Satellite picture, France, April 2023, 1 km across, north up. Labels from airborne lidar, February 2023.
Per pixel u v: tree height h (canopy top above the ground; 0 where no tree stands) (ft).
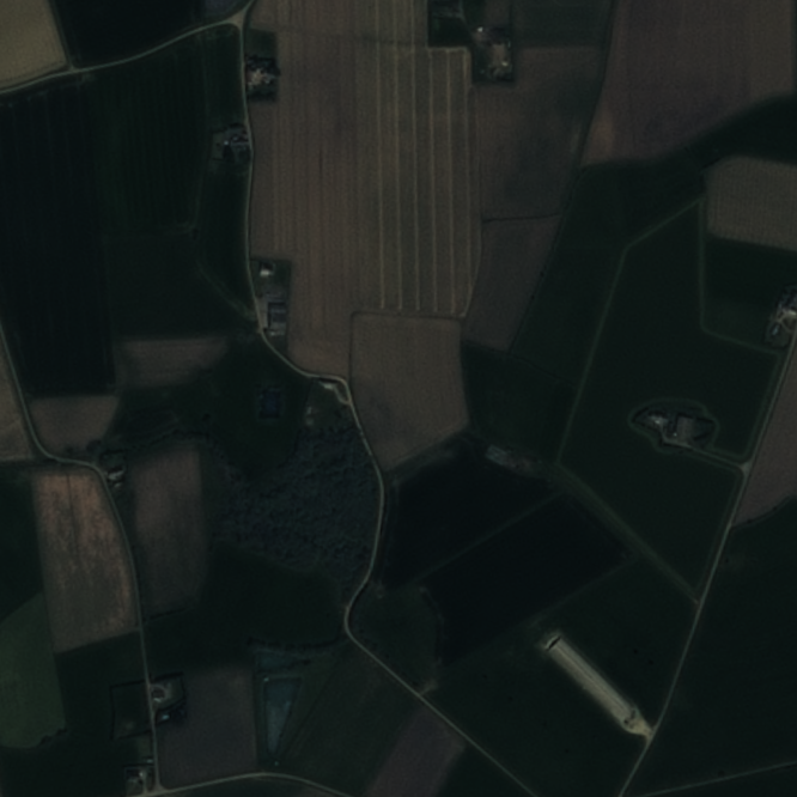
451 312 0
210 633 0
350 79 0
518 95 0
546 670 0
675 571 0
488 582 0
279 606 0
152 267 0
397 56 0
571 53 0
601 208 0
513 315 0
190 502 0
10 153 0
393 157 0
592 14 0
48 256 0
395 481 0
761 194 0
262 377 0
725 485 0
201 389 0
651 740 0
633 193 0
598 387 0
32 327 0
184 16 0
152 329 0
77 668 0
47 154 0
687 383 0
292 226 0
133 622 0
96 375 0
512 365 0
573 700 0
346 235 0
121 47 0
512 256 0
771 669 0
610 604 0
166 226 0
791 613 0
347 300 0
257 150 0
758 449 0
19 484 0
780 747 0
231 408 0
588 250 0
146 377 0
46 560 0
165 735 0
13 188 0
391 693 0
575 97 0
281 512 30
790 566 0
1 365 0
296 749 0
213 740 0
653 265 0
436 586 0
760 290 0
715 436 0
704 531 0
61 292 0
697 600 0
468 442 0
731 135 0
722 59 0
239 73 0
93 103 0
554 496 0
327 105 0
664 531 0
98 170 0
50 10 0
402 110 0
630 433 0
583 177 0
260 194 0
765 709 0
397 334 0
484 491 0
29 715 0
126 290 0
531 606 0
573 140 0
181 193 0
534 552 0
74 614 0
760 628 0
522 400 0
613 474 0
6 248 0
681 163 0
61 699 0
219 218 0
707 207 0
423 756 0
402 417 0
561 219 0
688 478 0
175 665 0
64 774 0
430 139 0
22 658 0
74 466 0
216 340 0
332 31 0
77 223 0
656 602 0
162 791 0
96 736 0
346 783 0
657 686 0
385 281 0
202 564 0
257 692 0
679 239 0
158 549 0
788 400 0
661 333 0
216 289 0
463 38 0
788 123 0
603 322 0
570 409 0
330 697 0
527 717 0
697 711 0
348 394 0
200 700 0
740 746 0
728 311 0
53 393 0
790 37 0
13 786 0
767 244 0
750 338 0
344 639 21
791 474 0
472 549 0
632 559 0
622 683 0
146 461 0
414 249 0
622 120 0
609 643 0
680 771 0
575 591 0
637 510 0
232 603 0
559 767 0
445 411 0
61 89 0
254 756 0
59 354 0
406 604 0
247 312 0
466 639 0
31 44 0
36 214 0
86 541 0
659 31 0
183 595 0
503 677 0
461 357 0
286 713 0
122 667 0
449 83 0
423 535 0
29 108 0
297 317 0
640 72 0
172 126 0
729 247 0
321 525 32
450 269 0
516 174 0
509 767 0
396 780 0
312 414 0
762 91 0
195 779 0
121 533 0
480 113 0
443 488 0
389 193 0
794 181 0
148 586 0
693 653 0
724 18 0
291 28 0
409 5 0
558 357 0
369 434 0
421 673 0
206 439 20
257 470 0
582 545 0
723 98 0
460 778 0
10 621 0
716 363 0
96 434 0
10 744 0
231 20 0
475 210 0
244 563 0
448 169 0
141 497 0
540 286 0
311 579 0
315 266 0
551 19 0
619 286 0
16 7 0
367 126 0
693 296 0
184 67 0
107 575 0
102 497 0
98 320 0
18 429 0
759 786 0
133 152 0
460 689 0
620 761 0
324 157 0
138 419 0
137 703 0
